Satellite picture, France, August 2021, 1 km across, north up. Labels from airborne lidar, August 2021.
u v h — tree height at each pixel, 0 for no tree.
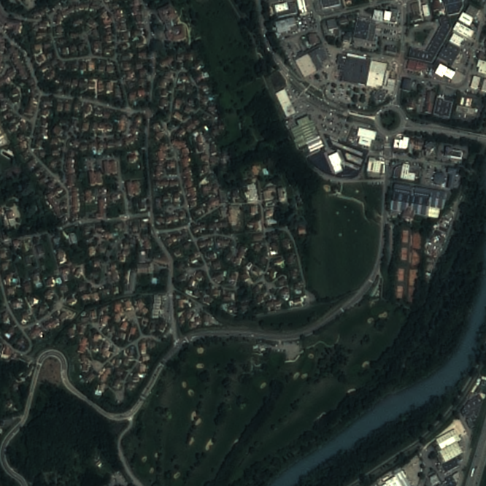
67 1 8
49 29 11
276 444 0
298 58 0
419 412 14
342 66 0
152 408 0
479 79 0
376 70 0
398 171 0
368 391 12
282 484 0
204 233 7
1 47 0
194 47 18
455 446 0
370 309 0
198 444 0
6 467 0
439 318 18
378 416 0
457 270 22
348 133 0
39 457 10
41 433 16
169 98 8
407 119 0
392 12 0
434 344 16
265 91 13
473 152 7
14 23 0
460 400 7
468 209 21
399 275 0
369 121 0
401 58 0
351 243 0
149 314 7
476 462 0
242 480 7
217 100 6
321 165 0
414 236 0
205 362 0
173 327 0
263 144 17
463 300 19
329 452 0
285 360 0
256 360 0
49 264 0
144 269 0
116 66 11
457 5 0
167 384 0
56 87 6
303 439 9
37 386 0
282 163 20
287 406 0
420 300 20
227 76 0
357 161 0
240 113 14
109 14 10
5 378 17
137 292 7
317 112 0
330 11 0
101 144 0
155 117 9
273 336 0
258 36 12
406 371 13
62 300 0
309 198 12
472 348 0
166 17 0
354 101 9
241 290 9
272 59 18
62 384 0
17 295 9
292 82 0
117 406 7
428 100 0
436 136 11
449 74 0
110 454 16
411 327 20
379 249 0
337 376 6
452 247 23
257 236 0
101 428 25
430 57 0
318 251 0
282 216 15
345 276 0
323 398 0
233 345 0
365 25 0
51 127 8
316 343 0
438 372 0
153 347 5
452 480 0
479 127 10
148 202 11
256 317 11
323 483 20
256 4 18
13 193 22
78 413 30
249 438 21
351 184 0
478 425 0
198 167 8
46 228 7
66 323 8
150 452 0
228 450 0
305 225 20
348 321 0
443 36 0
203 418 0
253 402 0
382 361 14
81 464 7
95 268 9
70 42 8
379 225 0
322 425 21
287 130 6
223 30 0
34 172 8
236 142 7
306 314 0
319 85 0
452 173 0
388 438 15
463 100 0
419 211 0
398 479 0
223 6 8
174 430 0
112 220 0
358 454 14
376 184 0
